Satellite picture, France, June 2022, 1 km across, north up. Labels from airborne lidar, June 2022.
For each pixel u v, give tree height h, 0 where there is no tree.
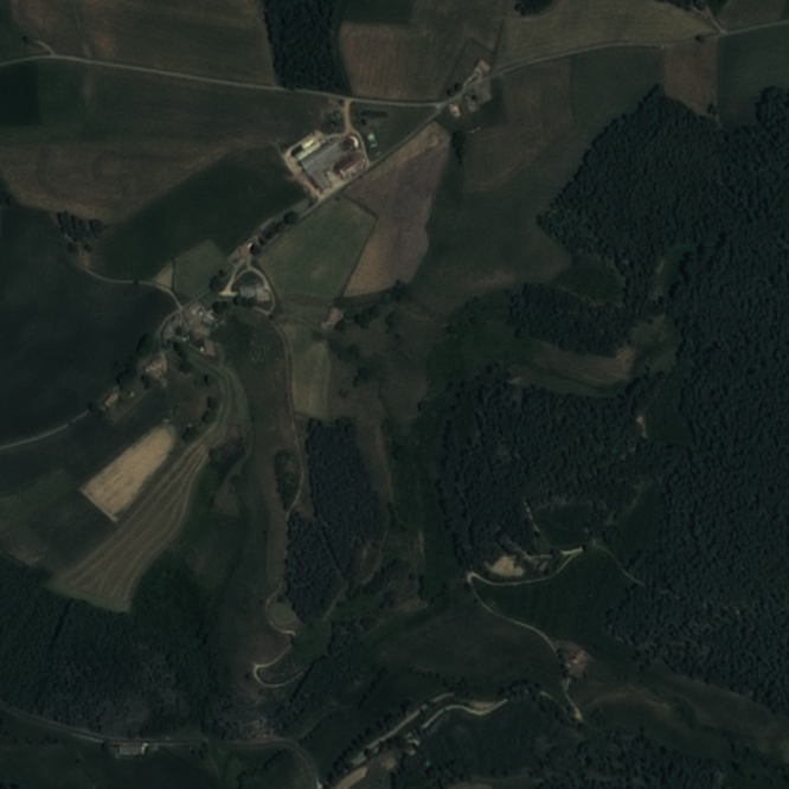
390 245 0
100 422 0
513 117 0
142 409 0
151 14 0
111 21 0
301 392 0
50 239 0
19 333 0
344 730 0
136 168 0
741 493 28
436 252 0
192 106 0
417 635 0
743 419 27
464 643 0
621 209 18
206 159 0
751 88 0
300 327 0
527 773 0
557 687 0
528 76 0
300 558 15
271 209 0
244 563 0
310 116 0
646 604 20
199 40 0
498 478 17
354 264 0
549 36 0
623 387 0
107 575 0
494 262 0
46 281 0
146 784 0
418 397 0
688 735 0
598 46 0
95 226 13
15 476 0
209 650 14
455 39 0
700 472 28
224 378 0
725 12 0
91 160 0
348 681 19
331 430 12
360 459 15
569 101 0
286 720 24
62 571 0
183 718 9
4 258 0
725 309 21
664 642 27
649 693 0
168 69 0
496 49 0
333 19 20
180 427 0
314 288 0
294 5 22
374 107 0
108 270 0
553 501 17
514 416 17
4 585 33
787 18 0
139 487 0
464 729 0
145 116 0
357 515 18
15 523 0
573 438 20
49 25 0
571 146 0
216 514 0
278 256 0
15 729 0
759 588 16
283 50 16
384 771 0
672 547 16
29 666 18
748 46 0
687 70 0
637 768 21
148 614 8
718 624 18
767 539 23
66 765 0
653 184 17
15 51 0
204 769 0
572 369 0
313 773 0
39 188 0
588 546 15
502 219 0
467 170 0
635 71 0
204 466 0
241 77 0
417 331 0
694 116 19
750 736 0
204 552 0
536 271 0
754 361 31
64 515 0
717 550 25
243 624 0
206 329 0
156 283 0
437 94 0
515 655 0
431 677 12
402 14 0
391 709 0
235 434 0
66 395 0
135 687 13
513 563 0
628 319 12
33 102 0
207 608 9
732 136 17
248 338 0
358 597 11
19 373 0
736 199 30
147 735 17
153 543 0
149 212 0
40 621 17
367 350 0
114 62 0
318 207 0
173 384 0
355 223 0
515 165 0
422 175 0
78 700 21
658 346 0
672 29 0
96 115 0
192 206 0
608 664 0
